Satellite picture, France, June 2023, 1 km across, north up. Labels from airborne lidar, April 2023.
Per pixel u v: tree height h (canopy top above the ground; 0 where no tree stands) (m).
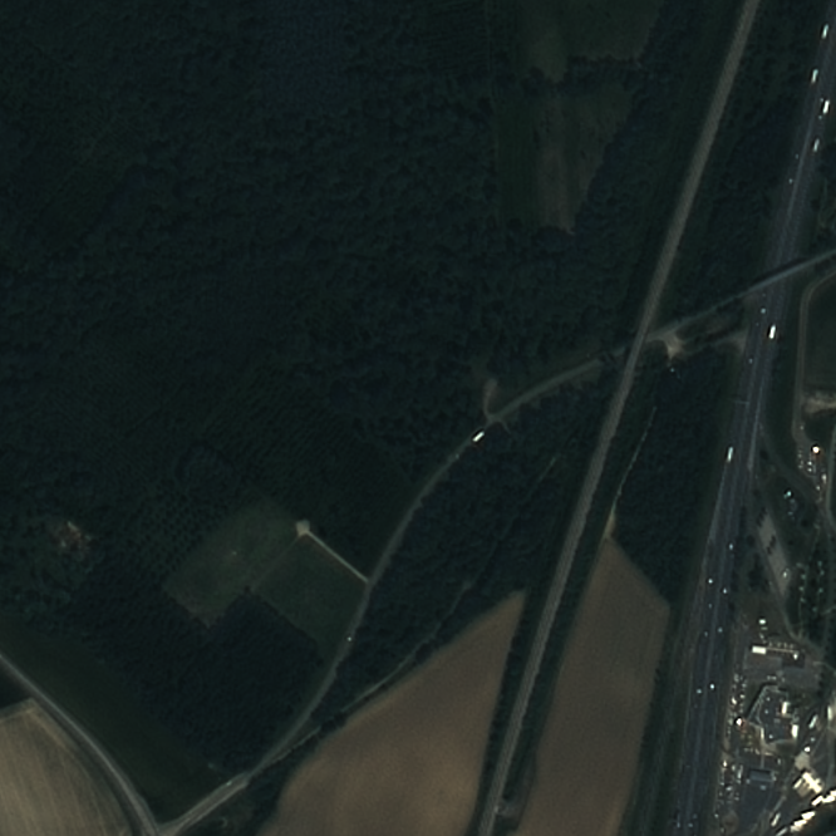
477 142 23
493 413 0
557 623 8
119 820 0
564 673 0
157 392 9
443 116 25
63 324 21
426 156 27
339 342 11
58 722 0
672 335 0
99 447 6
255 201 26
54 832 0
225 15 23
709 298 12
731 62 0
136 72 20
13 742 0
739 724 0
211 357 29
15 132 25
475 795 0
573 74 12
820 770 0
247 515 0
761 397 0
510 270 23
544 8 0
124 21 22
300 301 8
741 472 0
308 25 26
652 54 11
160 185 22
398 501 0
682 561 17
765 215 13
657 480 15
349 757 0
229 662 16
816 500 0
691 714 0
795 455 0
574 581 11
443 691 0
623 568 0
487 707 0
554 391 0
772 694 0
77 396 14
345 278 18
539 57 0
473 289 25
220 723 17
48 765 0
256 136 24
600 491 9
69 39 25
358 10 22
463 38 6
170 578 8
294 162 28
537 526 16
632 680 0
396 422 8
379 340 7
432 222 22
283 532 0
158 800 0
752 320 0
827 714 0
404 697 0
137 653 17
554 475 5
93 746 0
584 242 18
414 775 0
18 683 0
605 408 11
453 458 0
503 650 0
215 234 14
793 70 8
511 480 18
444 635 12
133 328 12
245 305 18
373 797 0
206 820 0
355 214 20
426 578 22
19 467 10
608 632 0
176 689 11
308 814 0
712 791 0
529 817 0
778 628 0
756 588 13
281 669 17
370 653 16
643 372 6
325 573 0
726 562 0
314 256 16
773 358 0
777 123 27
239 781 0
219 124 18
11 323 23
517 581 20
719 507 0
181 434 7
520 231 24
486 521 21
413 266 6
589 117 0
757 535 0
